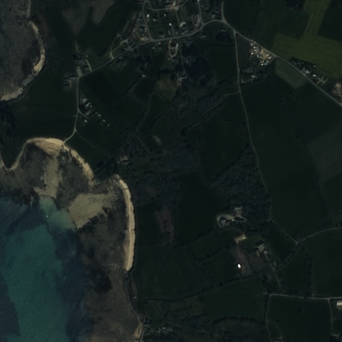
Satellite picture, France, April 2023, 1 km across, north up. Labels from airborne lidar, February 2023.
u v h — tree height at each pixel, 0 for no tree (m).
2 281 0
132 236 0
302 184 0
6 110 10
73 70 0
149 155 9
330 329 0
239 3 0
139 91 0
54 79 0
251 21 0
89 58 0
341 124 0
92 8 0
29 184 0
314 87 0
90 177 0
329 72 0
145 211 0
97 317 0
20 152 0
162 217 9
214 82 11
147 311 0
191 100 9
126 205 0
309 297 13
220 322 10
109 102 0
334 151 0
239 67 0
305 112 0
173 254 0
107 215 0
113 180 0
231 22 0
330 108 0
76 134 0
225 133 0
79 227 0
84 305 0
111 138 0
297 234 0
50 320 0
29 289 0
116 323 0
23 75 0
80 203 0
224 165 0
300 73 0
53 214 0
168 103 0
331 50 0
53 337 0
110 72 0
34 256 0
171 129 0
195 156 12
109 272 0
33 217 0
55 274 0
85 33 0
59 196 0
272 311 0
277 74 0
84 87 0
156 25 0
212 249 0
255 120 0
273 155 0
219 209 0
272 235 0
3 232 0
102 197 0
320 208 0
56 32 0
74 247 0
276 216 0
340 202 0
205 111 10
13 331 0
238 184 11
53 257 0
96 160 0
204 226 0
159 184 7
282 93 0
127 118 0
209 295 0
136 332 0
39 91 0
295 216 0
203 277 0
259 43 0
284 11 0
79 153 0
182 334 14
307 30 0
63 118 0
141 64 14
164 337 10
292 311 0
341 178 0
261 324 6
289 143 0
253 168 17
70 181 0
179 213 0
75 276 0
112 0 0
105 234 0
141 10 0
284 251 0
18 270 0
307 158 0
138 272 0
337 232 0
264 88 0
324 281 0
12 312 0
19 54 0
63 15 0
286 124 0
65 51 0
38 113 0
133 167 9
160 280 0
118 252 0
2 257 0
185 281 0
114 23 0
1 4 0
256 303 0
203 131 0
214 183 10
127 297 0
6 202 0
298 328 0
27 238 0
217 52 0
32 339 0
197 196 0
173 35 0
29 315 0
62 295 0
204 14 0
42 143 0
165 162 11
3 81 0
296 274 0
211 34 0
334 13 0
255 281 0
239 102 0
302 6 14
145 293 0
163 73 9
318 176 0
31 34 0
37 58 0
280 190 0
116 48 0
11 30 0
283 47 0
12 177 0
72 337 0
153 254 0
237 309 0
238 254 0
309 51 0
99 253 0
